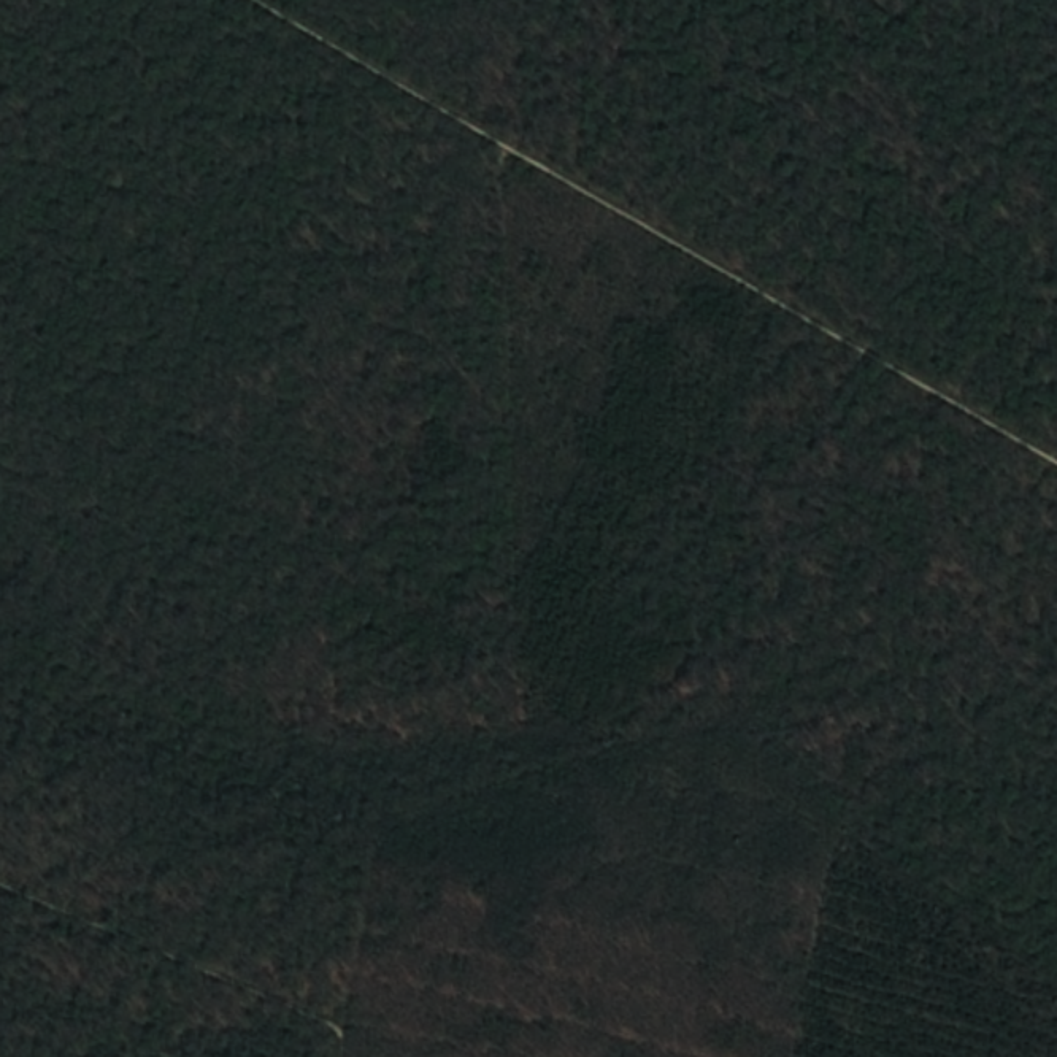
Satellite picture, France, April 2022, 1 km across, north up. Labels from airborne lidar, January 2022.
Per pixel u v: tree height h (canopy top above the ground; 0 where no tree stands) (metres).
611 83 22
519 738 19
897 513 24
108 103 23
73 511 25
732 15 26
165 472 20
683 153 19
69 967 23
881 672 24
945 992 8
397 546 23
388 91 22
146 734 18
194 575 23
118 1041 23
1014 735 25
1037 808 25
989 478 22
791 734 20
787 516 14
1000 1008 9
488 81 23
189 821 25
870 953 9
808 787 17
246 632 19
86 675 18
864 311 24
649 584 23
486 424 24
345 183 23
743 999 17
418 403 22
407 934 15
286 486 22
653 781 13
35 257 23
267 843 22
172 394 25
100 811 26
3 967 23
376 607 21
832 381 24
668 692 12
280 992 19
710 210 23
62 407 24
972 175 26
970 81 23
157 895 15
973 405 24
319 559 24
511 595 21
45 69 23
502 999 15
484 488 25
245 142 23
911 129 25
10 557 21
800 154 26
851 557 21
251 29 22
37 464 23
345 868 22
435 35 23
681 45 25
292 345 20
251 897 22
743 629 26
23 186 21
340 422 22
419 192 21
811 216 24
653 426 16
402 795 22
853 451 21
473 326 21
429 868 14
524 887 16
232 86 24
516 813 17
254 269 25
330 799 19
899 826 23
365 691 21
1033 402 21
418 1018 17
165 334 20
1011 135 25
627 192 24
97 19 25
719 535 20
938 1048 10
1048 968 16
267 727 21
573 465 9
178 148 24
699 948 18
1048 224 25
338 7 24
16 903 21
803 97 22
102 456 23
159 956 21
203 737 26
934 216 23
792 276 21
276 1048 21
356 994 15
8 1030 26
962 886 23
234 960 25
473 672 22
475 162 21
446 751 21
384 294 23
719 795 8
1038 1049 5
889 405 23
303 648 23
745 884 15
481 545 20
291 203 24
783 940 15
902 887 8
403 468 11
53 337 22
